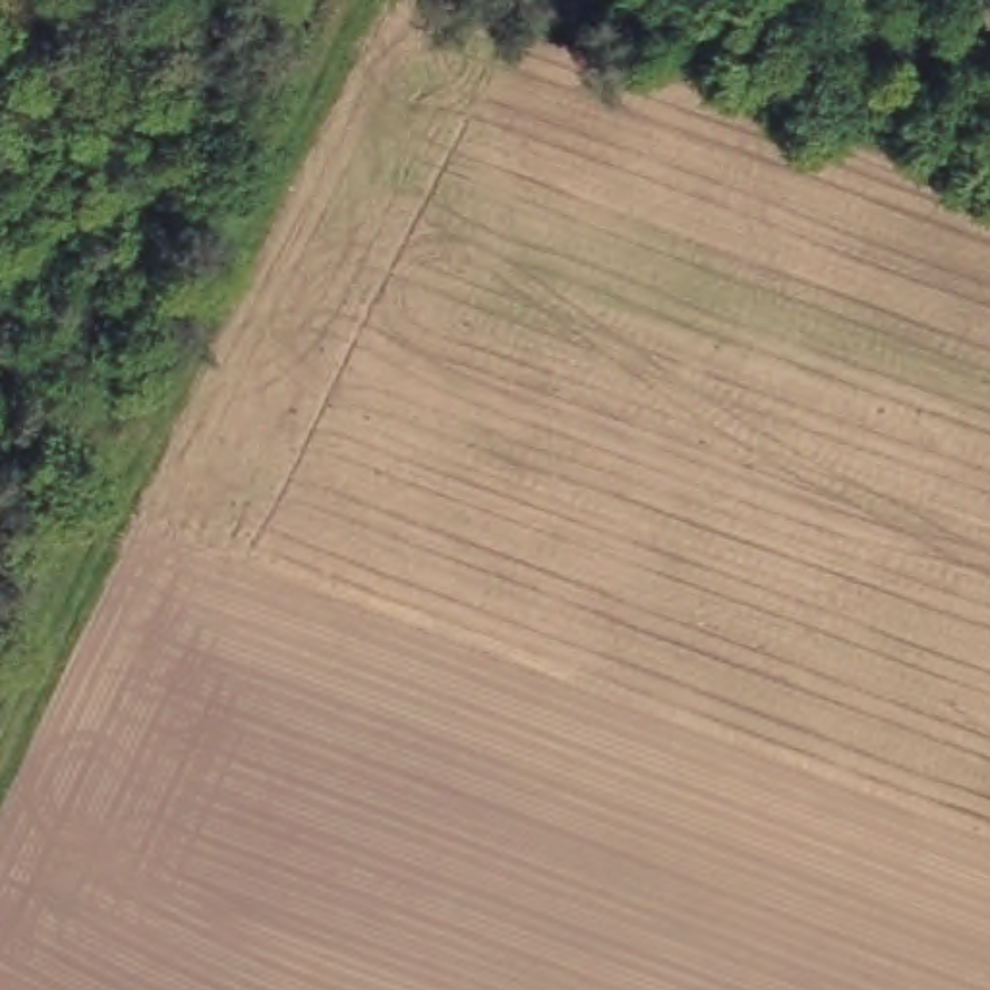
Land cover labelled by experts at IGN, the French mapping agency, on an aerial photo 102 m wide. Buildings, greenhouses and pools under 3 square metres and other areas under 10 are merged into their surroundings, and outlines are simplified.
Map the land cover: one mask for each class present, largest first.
<instances>
[{"label":"agricultural land","instance_id":"1","mask_svg":"<svg viewBox=\"0 0 990 990\"><path fill-rule=\"evenodd\" d=\"M418 0H398L383 4L379 19L360 39V58L333 112L325 116L317 143L309 147L302 170L286 186L282 209L248 278V290L232 306V317L224 321L213 344V364L193 383L189 402L170 429L166 456L155 480L147 483L128 534L120 538L116 565L104 576L97 607L89 611L81 638L62 669V681L35 727L19 777L12 781L0 804V990H990V224L940 205L932 186L913 182L882 151L855 147L843 162L797 174L777 151V143L766 139L762 124H754L750 116L715 112L688 81L634 93H623L615 108H603L584 89L580 62L565 46L534 43L522 62H503L495 54L487 27H472L456 50H441L414 23Z\"/></svg>","mask_w":990,"mask_h":990},{"label":"coniferous trees","instance_id":"2","mask_svg":"<svg viewBox=\"0 0 990 990\"><path fill-rule=\"evenodd\" d=\"M62 46H77L81 58H104V81H128L124 112H139V131H186L193 120L232 124L244 135L259 139L267 151L275 143L278 120L290 116L278 108L271 85L298 66L306 46V15L298 12V0H0V93L23 85L35 66L58 62ZM414 23L441 50H456L472 27H487L495 54L503 62H522L534 43L565 46L580 62L584 89L603 108H615L623 93H634L626 85V73H638L654 62V46L646 43V23L615 0H418ZM862 97L874 112H889V120L901 128L924 120L936 104H944L947 85L955 77L990 73V27H982L978 39L951 58H944L928 39H862ZM248 290V278L232 263V240L209 220H189L182 213L178 193L162 189L151 205L139 209L135 263L108 267L93 282L81 336L62 356H50L31 371H0V669L27 661L19 630L54 607V596L35 584L39 538L77 530L112 495L116 464L108 460V441L120 433V398L143 394V383H166L174 371L189 375L193 383L213 364V344L224 321L232 317V306Z\"/></svg>","mask_w":990,"mask_h":990},{"label":"deciduous trees","instance_id":"3","mask_svg":"<svg viewBox=\"0 0 990 990\"><path fill-rule=\"evenodd\" d=\"M646 23V43L654 46V62L638 73H626V85L634 93L688 81L715 112L750 116L754 124H762L766 139L777 143V151L797 174L843 162L855 147L882 151L913 182L932 186L940 205L990 224V73L955 77L947 85L944 104H936L924 120L901 128L889 120V112H874L862 97V39H928L944 58H951L978 39L982 27H990V0H615ZM128 81H104V58H81L77 46H62L58 62L35 66L23 85L0 93V371H31L50 356H62L81 336L93 282L108 267L135 263L139 209L151 205L162 189L178 193L182 213L189 220H209L232 240V263L248 278L282 209L286 186L302 170L309 147L298 139L290 116L278 120L275 143L267 151L259 139L244 135L232 124L193 120L186 131H139V112H124Z\"/></svg>","mask_w":990,"mask_h":990},{"label":"herbaceous vegetation","instance_id":"4","mask_svg":"<svg viewBox=\"0 0 990 990\"><path fill-rule=\"evenodd\" d=\"M383 4L398 0H298V12L306 15V46L298 66L271 85L278 108L290 116L298 139L309 147L317 143L325 116L333 112L360 58V39L379 19ZM193 383L189 375L174 371L166 383H143V394L120 398V433L108 441V460L116 464L112 495L77 530L39 538L35 584L54 596V607L19 630L27 661L0 669V804L12 781L19 777L35 727L62 681V669L81 638L89 611L97 607L104 576L116 565L120 538L128 534L147 483L155 480L166 456L170 429L189 402Z\"/></svg>","mask_w":990,"mask_h":990}]
</instances>
